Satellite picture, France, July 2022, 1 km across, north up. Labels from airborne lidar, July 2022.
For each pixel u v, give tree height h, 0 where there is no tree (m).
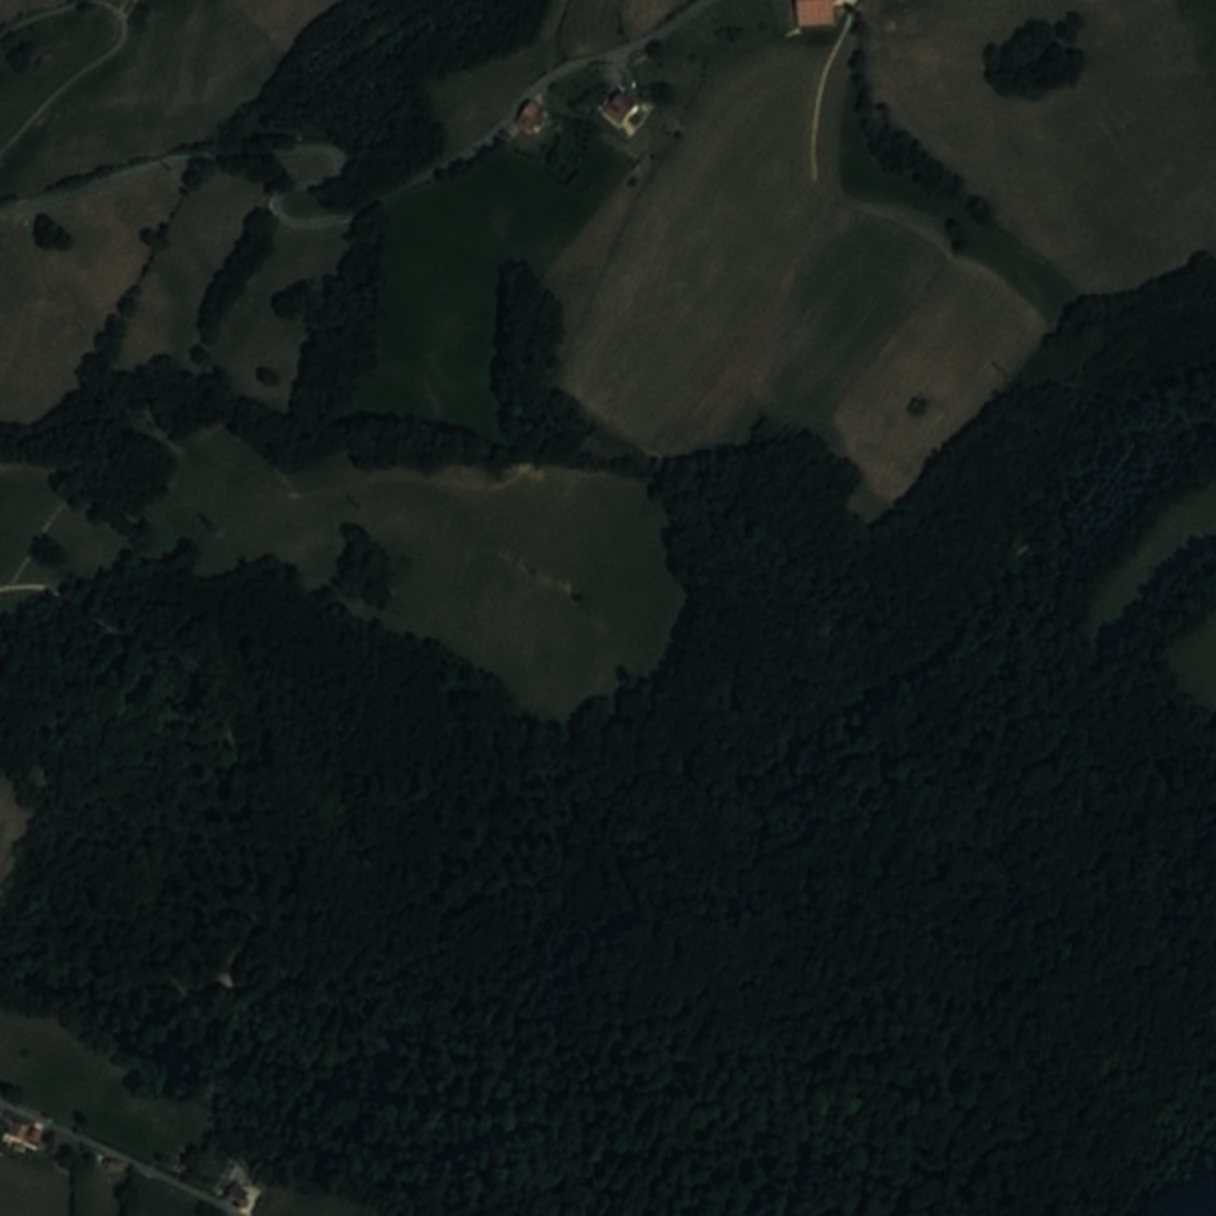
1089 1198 30
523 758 23
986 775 26
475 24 18
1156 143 0
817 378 0
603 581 0
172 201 0
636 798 33
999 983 12
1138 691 27
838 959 30
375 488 0
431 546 0
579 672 0
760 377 0
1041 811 37
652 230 0
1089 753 29
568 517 0
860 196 0
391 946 27
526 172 0
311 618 14
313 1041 35
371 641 13
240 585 9
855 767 36
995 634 28
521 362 27
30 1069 0
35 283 0
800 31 0
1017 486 23
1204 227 0
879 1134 33
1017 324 0
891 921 34
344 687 18
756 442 8
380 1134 33
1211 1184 20
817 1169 32
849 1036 36
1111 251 0
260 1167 32
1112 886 39
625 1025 27
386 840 28
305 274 0
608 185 0
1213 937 29
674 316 0
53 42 0
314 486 0
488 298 0
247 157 16
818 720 25
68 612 22
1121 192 0
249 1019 22
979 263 0
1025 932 35
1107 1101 22
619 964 29
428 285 0
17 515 0
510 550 0
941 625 16
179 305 0
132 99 0
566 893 13
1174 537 0
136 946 21
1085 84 0
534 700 0
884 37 0
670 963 29
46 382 0
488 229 0
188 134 0
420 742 12
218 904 13
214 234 0
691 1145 11
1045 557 19
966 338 0
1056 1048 33
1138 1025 26
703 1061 28
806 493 18
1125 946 31
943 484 24
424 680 11
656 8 0
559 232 0
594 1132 28
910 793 34
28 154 0
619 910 11
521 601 0
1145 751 16
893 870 28
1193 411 24
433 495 0
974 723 31
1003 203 0
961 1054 35
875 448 0
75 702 22
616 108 0
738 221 0
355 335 19
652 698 31
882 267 0
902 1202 9
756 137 0
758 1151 24
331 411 27
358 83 19
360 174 16
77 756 29
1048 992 36
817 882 32
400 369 0
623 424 0
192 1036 27
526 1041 29
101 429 15
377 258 10
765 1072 29
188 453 0
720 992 32
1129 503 23
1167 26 0
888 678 14
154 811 32
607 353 0
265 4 0
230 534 0
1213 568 23
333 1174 31
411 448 24
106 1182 0
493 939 15
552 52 0
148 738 24
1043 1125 28
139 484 26
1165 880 23
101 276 0
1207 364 9
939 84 0
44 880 28
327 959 30
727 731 23
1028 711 32
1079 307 15
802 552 33
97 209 0
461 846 8
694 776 27
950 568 20
